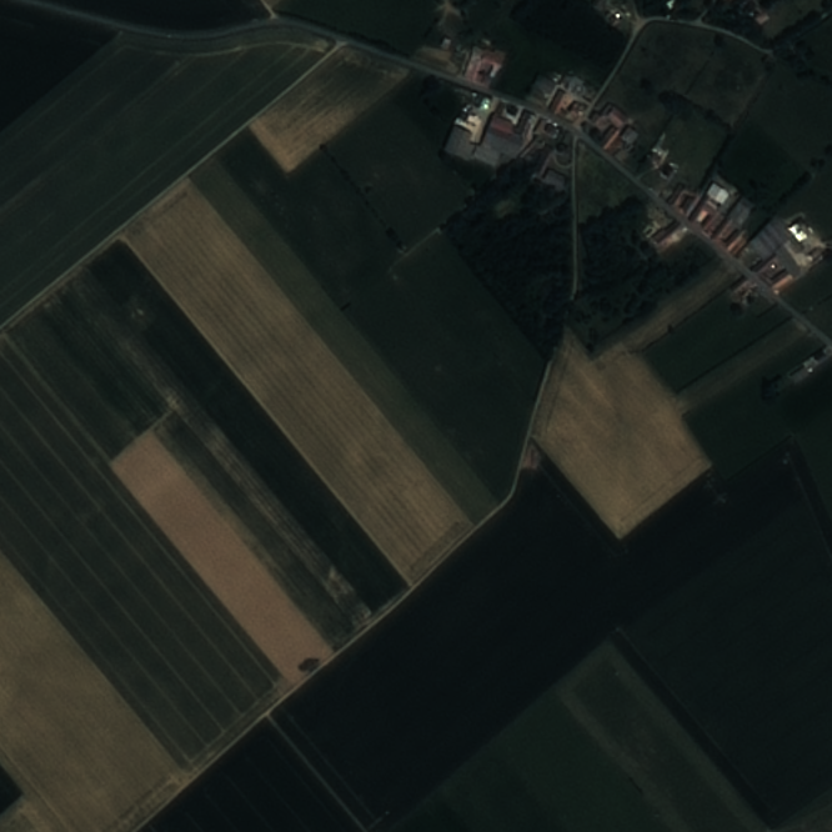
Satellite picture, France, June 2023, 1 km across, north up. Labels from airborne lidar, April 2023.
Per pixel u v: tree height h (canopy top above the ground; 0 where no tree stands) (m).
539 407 0
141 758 0
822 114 0
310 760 0
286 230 0
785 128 0
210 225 0
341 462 0
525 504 0
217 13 0
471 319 0
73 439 0
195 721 0
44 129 0
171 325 0
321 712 0
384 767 0
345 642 0
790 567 0
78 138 0
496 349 0
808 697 0
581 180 0
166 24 0
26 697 0
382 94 0
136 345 0
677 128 0
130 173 0
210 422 0
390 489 0
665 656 0
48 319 0
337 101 0
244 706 0
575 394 0
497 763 0
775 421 0
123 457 0
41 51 0
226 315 0
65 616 0
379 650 0
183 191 0
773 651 0
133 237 0
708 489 0
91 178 0
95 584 0
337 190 0
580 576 0
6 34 0
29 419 0
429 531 0
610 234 17
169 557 0
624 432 0
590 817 0
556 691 0
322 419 0
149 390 0
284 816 0
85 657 0
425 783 0
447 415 0
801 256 0
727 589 0
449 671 0
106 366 0
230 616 0
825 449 0
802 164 0
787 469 0
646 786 0
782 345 0
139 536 0
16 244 0
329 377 0
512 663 0
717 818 0
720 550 0
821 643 0
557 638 0
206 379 0
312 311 0
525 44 0
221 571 0
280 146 0
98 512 0
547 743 0
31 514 0
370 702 0
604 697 0
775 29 0
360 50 0
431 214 0
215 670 0
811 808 0
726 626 0
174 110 0
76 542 0
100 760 0
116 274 0
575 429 0
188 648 0
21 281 0
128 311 0
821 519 0
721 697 0
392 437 0
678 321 0
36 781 0
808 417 0
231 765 0
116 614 0
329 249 0
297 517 0
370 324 0
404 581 0
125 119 0
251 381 0
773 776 0
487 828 0
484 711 0
